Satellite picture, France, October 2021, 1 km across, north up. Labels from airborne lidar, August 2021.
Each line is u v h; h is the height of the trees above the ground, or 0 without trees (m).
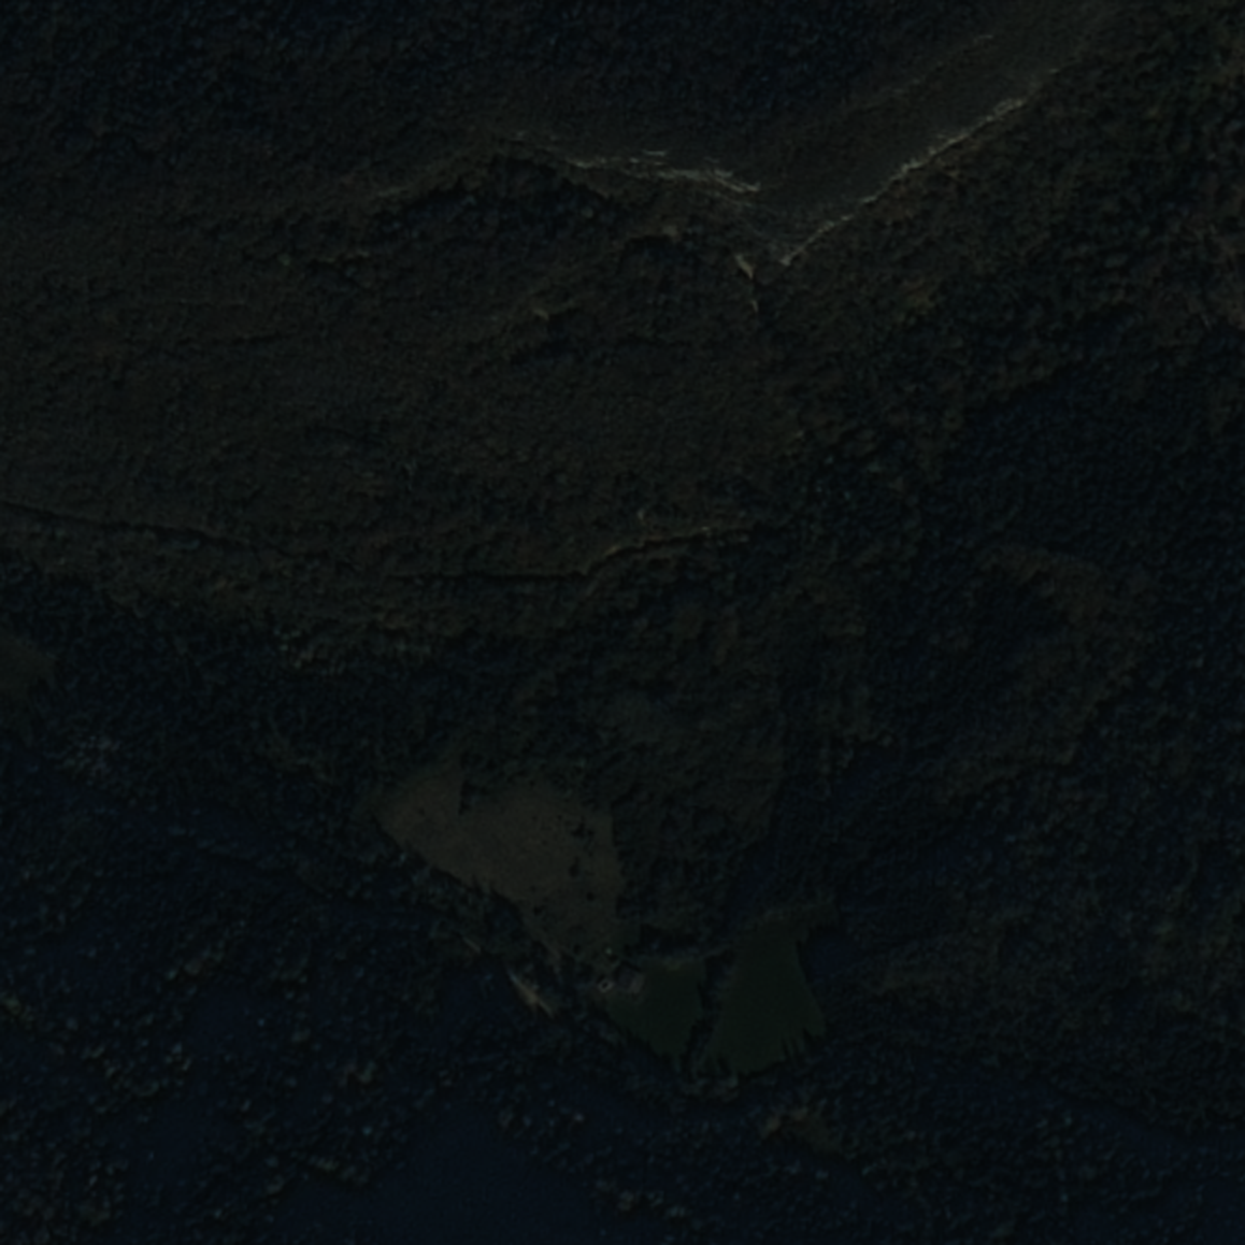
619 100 11
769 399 14
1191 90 24
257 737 11
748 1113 24
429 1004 10
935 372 22
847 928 21
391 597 19
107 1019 20
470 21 19
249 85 18
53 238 9
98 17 22
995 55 8
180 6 23
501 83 12
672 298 15
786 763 15
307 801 11
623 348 18
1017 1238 19
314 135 14
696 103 12
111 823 15
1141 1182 21
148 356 20
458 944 7
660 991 0
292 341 17
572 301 22
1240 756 29
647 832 15
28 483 18
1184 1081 36
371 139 13
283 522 19
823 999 30
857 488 29
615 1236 21
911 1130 22
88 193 13
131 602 8
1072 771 21
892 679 29
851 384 20
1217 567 30
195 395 18
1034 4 7
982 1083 27
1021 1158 21
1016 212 21
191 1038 17
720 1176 23
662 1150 28
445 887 10
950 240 18
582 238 14
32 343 16
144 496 12
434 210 20
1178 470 25
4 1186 23
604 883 0
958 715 21
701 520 13
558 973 0
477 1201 20
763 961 0
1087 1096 31
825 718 18
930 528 33
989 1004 23
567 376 14
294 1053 23
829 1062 7
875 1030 26
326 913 17
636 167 7
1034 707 14
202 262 14
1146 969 19
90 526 13
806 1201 30
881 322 18
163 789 27
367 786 9
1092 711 22
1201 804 27
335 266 12
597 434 9
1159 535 25
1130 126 15
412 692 21
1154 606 25
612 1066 17
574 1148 6
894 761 30
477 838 0
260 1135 21
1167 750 18
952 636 28
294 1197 21
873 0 20
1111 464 28
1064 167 20
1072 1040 23
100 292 18
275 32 20
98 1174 14
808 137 15
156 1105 13
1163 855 26
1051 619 19
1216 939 25
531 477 19
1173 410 31
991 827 22
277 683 24
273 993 9
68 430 16
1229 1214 26
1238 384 26
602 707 12
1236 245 32
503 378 13
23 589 27
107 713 28
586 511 25
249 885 20
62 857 13
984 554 26
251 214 16
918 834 16
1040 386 18
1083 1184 15
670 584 23
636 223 24
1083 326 10
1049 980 18
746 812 15
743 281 16
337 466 15
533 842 0
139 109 20
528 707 24
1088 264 16
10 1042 19
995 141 17
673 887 18
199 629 8
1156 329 30
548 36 18
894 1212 6
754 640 19
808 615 17
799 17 20
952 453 21
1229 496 12
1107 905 24
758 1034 0
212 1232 26
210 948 19
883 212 14
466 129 13
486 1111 12
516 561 19
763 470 22
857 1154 11
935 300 22
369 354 14
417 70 15
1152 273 23
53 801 19
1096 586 26
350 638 15
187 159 15
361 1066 32
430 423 10
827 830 24
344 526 22
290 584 14
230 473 20
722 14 18
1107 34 15
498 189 18
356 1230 17
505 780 7
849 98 9
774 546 25
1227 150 12
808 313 21
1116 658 23
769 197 6
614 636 19
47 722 31
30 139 25
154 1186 32
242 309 15
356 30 25
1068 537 32
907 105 13
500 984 9
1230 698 19
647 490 12
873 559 27
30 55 20
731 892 13
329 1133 24
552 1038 15
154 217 11
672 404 8
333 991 16
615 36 17
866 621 24
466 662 35
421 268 13
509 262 11
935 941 19
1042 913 23
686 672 20
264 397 14
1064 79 19
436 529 21
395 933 19
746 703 16
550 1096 14
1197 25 18
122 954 18
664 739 19
